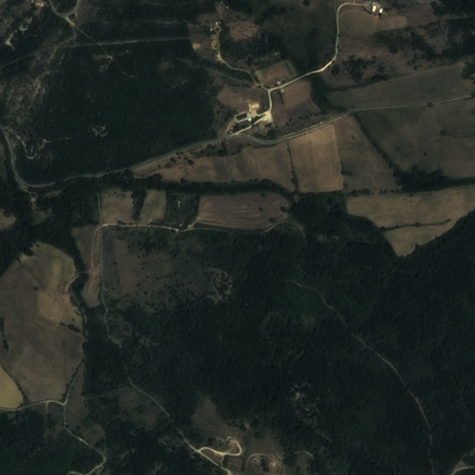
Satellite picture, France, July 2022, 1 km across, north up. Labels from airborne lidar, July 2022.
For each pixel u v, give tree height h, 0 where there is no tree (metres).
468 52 12
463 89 0
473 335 12
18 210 12
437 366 11
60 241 7
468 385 10
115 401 9
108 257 0
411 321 12
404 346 11
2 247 6
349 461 7
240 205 0
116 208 0
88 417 7
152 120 10
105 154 7
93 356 9
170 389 11
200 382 10
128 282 0
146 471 10
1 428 9
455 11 10
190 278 0
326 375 14
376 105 0
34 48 6
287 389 19
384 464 17
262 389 21
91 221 12
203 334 11
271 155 0
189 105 9
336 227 12
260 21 8
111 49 8
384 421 8
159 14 6
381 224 0
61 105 8
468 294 6
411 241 0
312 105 0
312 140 0
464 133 0
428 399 12
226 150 7
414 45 10
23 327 0
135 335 7
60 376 0
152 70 11
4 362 0
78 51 6
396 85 0
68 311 0
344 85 0
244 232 9
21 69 9
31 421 8
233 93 0
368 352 13
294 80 0
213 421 0
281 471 0
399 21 0
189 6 13
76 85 11
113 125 13
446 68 0
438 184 14
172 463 10
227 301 6
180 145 13
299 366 17
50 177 10
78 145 11
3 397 0
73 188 16
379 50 0
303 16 0
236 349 13
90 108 6
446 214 0
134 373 10
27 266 0
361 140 0
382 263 20
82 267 9
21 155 7
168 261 0
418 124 0
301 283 9
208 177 0
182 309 11
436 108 0
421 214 0
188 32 7
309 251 16
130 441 15
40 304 0
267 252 8
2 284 0
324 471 11
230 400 9
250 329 11
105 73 7
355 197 9
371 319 9
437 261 11
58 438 7
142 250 8
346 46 0
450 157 0
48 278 0
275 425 11
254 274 11
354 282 8
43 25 6
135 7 7
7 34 5
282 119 0
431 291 13
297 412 6
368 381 10
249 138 0
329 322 12
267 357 14
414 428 11
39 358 0
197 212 7
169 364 11
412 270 11
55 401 0
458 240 11
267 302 15
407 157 0
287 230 8
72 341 0
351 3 0
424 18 0
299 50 0
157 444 7
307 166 0
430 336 9
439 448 9
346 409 13
